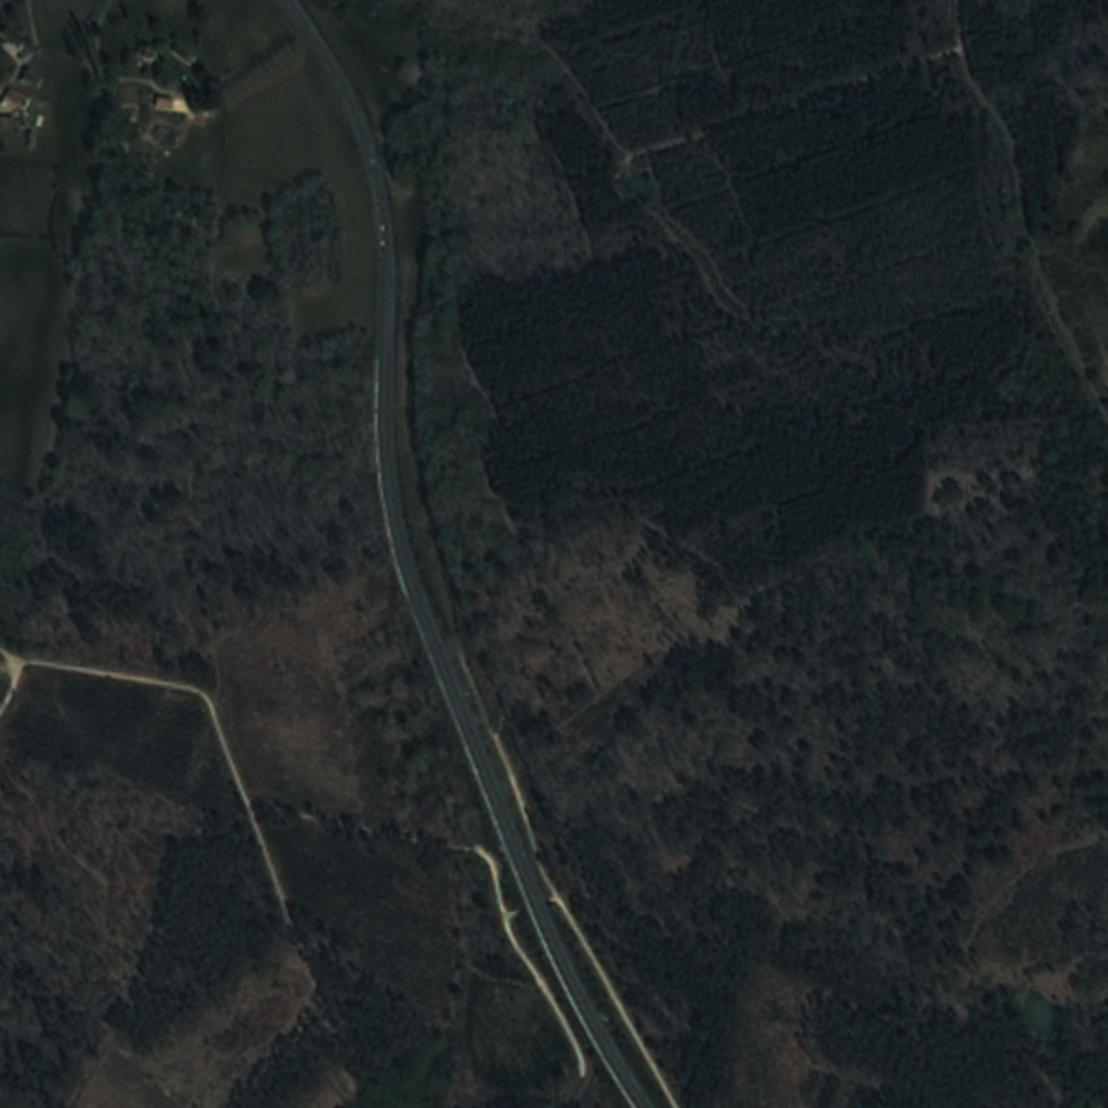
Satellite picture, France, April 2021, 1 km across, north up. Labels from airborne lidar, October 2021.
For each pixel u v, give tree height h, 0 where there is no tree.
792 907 17
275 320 17
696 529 17
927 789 8
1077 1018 18
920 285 10
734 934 27
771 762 13
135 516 19
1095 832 16
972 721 21
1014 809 19
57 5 0
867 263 16
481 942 12
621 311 17
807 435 15
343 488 19
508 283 11
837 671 15
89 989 7
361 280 0
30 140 13
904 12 18
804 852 20
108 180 21
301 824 17
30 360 0
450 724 11
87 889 13
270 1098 22
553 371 19
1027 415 15
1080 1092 21
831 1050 29
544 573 18
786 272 14
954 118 8
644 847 20
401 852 23
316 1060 24
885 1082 25
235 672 0
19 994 17
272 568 26
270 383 23
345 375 29
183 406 25
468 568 7
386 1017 21
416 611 0
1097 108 12
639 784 16
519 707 12
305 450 18
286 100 0
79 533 31
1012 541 10
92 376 8
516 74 13
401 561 0
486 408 15
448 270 22
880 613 14
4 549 21
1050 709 12
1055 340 9
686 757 15
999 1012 24
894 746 21
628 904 24
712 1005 26
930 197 15
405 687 23
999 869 26
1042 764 23
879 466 17
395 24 9
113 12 0
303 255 16
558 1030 0
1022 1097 20
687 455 14
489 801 0
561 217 8
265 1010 0
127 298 29
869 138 7
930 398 15
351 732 0
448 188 19
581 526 29
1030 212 19
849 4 18
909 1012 25
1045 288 0
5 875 15
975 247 14
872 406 8
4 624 14
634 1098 0
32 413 0
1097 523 10
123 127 19
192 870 24
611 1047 0
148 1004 24
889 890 23
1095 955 10
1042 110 16
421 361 22
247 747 0
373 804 0
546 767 16
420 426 23
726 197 8
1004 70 16
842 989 11
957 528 16
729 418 14
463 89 15
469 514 22
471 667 7
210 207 15
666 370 13
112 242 20
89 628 31
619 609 8
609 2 12
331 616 7
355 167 0
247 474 16
